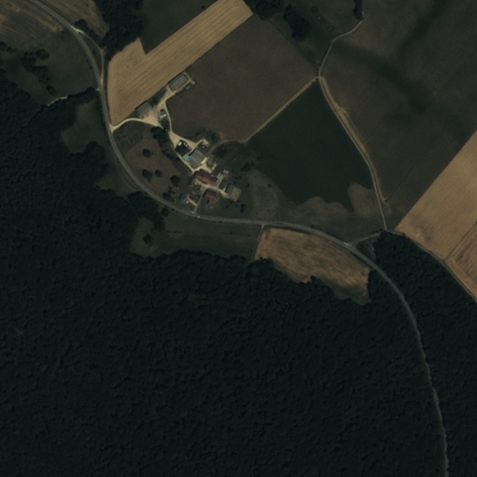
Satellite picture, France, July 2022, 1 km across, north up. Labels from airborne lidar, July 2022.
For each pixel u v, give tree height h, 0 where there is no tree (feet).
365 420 80
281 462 93
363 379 95
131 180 0
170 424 105
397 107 0
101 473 75
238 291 91
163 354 82
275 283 74
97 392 90
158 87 0
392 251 76
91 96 58
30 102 76
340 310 73
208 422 100
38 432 79
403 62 0
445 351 73
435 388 48
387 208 0
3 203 69
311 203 0
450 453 71
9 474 72
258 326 95
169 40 0
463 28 0
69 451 75
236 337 89
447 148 0
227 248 0
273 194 0
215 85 0
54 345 89
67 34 0
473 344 74
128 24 66
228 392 102
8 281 80
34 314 78
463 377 78
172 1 0
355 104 0
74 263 73
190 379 73
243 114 0
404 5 0
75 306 80
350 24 0
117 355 77
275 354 88
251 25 0
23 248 83
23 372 77
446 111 0
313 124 0
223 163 0
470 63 0
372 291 59
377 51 0
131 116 0
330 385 92
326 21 0
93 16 0
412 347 83
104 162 64
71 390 74
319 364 84
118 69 0
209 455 74
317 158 0
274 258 0
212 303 84
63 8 0
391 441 82
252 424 99
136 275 86
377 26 0
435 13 0
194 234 0
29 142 86
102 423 94
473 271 0
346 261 0
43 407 73
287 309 92
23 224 84
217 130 0
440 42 0
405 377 76
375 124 0
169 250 0
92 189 76
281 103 0
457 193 0
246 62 0
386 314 95
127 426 90
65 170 66
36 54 20
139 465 79
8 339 66
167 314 95
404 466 102
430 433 101
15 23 0
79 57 0
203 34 0
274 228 0
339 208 0
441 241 0
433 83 0
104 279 89
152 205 71
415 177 0
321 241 0
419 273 86
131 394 94
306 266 0
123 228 57
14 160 73
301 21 57
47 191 74
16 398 85
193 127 0
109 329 84
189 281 95
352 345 79
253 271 72
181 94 0
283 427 95
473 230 0
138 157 0
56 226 83
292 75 0
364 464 84
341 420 80
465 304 91
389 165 0
